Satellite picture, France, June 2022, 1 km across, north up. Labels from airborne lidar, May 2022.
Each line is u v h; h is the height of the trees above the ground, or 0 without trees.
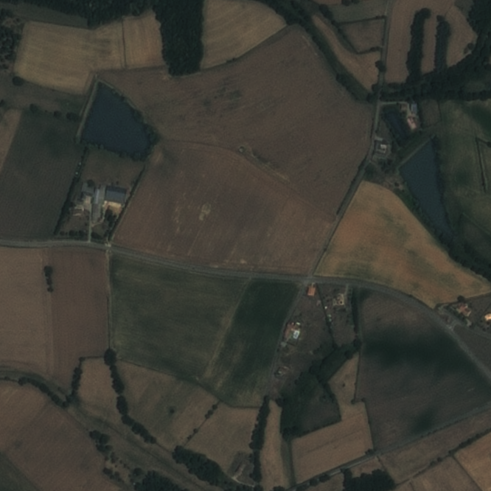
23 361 0
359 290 0
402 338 0
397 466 0
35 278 0
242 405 0
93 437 18
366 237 0
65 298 0
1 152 0
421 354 0
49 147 0
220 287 0
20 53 0
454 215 0
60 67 0
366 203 0
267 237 0
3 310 0
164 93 0
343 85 9
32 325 0
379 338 0
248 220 0
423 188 0
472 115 0
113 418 0
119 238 0
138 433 17
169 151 0
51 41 0
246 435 0
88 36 0
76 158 0
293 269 0
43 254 0
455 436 0
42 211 0
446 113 0
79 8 18
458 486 0
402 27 0
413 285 0
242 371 0
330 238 0
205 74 0
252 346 0
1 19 18
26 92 0
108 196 0
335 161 0
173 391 0
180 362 0
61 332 0
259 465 12
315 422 0
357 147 0
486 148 0
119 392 14
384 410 0
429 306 0
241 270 0
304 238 0
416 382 0
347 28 0
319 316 0
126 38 0
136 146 0
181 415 0
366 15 0
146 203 0
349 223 0
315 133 0
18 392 0
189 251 0
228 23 0
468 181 0
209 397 0
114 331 0
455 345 0
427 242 0
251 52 0
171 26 17
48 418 0
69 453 0
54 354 0
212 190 0
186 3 15
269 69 0
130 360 0
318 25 0
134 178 0
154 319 0
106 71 0
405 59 0
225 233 0
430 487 0
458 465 0
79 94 0
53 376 0
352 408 0
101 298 0
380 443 0
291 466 0
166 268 0
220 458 0
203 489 0
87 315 0
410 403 0
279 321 0
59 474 0
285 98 0
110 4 16
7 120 0
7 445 0
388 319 0
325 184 0
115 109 0
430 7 0
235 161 0
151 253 0
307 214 0
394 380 0
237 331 0
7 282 0
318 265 0
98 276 0
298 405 0
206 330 0
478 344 0
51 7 10
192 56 19
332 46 0
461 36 0
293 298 0
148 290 0
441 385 0
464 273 0
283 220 0
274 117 0
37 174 0
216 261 0
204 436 0
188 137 0
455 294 0
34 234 0
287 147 0
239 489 16
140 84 0
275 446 0
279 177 0
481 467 0
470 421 0
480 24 22
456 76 11
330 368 0
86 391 0
